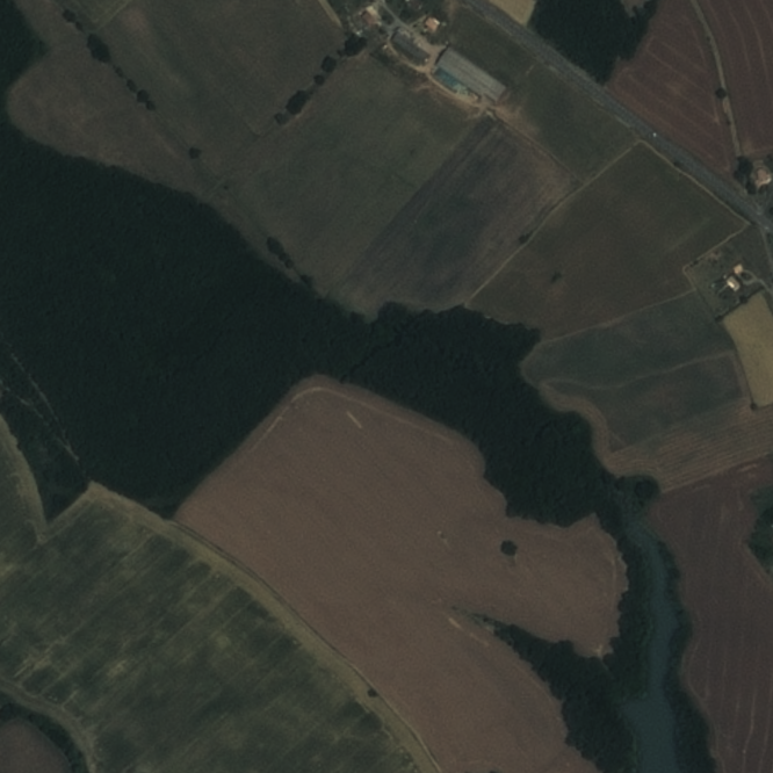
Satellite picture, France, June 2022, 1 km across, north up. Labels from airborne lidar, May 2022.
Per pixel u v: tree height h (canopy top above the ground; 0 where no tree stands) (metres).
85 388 17
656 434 0
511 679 0
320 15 0
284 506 0
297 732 0
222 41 0
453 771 0
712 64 0
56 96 0
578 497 19
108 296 17
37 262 19
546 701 0
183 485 15
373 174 0
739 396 0
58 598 0
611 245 0
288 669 0
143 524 0
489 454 10
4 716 16
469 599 0
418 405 7
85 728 0
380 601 0
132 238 19
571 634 0
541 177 0
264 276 17
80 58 0
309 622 0
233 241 18
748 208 0
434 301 0
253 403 20
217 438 15
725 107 0
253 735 0
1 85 16
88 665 0
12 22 14
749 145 0
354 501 0
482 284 0
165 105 0
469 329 21
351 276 0
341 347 21
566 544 0
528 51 0
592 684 24
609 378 0
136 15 0
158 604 0
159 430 17
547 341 0
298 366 17
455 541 0
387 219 0
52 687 0
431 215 0
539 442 27
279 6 0
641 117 0
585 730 19
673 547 0
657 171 0
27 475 0
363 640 0
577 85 0
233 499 0
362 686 0
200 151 11
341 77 0
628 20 15
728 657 0
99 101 0
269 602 0
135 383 18
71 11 12
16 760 0
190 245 18
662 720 0
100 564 0
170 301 18
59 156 19
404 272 0
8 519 0
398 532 0
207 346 12
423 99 0
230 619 0
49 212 14
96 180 16
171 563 0
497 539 0
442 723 0
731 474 0
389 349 21
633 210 0
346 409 0
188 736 0
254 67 0
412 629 0
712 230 0
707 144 0
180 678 0
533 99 0
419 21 0
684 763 13
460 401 21
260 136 0
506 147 0
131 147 0
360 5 0
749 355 0
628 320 0
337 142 0
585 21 16
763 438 0
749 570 0
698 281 0
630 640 17
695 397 0
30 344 16
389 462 0
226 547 0
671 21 0
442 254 0
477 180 0
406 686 0
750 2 0
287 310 22
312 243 0
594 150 0
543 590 0
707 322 0
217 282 16
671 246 0
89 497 0
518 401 23
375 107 0
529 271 0
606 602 0
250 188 0
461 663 0
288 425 0
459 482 0
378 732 0
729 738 0
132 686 0
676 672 13
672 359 0
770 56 0
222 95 0
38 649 0
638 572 17
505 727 0
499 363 23
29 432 13
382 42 0
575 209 0
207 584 0
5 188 15
